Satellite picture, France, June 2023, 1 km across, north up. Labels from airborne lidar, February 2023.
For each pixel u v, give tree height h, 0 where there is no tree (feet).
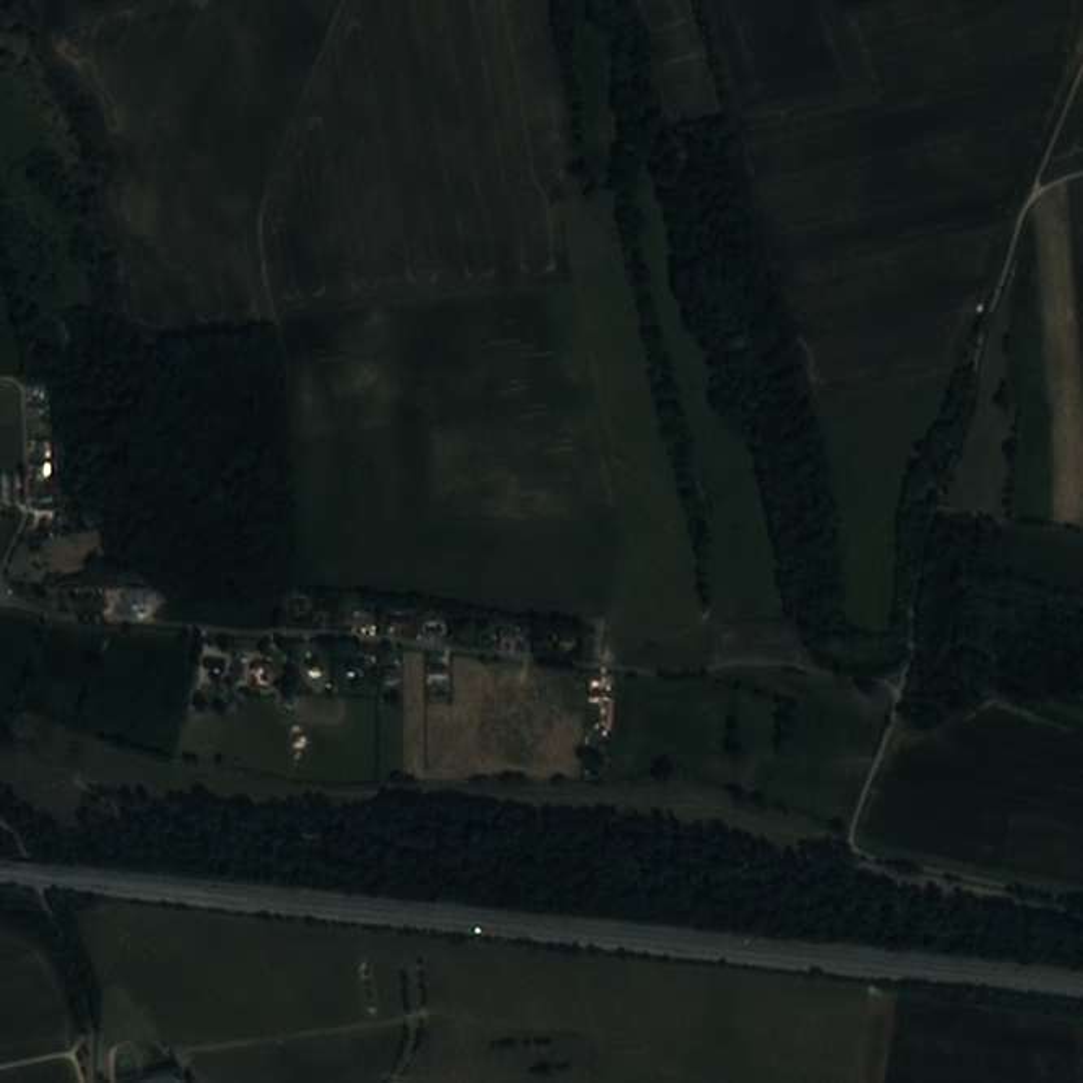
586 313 0
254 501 80
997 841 0
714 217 79
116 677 0
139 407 69
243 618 0
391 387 0
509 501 0
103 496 73
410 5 0
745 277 67
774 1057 0
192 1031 0
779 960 0
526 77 0
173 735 0
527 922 0
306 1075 0
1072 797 0
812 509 60
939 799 0
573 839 72
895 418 0
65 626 0
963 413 40
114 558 70
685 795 0
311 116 0
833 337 0
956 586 35
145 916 0
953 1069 0
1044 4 0
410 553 0
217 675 43
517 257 0
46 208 0
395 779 28
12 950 0
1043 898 31
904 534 32
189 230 0
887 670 36
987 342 0
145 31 0
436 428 0
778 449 65
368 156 0
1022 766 0
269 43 0
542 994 0
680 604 0
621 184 37
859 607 0
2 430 0
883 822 0
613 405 0
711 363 31
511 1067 0
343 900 0
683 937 0
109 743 21
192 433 69
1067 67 0
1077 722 0
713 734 0
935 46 0
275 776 0
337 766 0
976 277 0
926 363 0
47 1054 0
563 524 0
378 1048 0
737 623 0
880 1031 0
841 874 70
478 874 80
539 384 0
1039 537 0
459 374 0
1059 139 0
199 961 0
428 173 0
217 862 21
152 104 0
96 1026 26
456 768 0
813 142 0
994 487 0
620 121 43
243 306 0
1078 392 0
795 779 0
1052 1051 0
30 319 42
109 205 0
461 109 0
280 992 0
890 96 0
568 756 0
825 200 0
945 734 0
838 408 0
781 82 0
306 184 0
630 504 0
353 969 0
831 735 0
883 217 0
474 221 0
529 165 0
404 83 0
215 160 0
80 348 19
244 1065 0
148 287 0
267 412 67
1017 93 0
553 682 0
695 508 30
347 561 0
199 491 77
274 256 0
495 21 0
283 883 30
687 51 0
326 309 0
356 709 0
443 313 0
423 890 36
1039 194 0
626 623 0
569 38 38
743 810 0
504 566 0
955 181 0
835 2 0
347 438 0
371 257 0
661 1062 0
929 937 58
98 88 0
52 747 0
